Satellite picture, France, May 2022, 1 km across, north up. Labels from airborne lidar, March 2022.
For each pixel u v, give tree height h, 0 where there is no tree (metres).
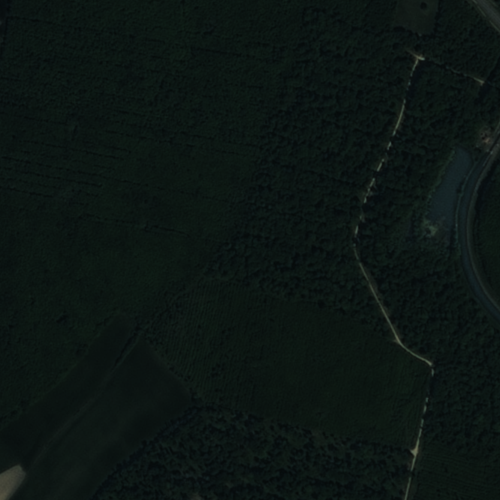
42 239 15
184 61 15
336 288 31
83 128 16
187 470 0
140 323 15
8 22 10
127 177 15
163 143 15
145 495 22
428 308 13
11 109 15
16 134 14
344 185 21
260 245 23
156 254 14
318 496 23
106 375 0
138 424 0
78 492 0
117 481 21
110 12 17
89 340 13
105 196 15
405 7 0
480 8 0
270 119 21
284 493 25
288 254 24
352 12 15
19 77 15
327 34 26
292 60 13
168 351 8
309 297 21
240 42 15
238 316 6
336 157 28
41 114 15
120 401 0
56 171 16
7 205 15
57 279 15
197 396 15
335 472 21
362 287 28
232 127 0
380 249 27
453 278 24
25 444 0
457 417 23
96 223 15
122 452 0
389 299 26
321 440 0
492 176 18
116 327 0
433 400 19
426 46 20
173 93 16
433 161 24
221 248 22
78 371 0
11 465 0
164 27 16
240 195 16
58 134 15
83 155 15
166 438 22
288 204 24
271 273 29
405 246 16
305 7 11
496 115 16
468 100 24
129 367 0
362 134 26
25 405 21
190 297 6
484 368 24
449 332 26
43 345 15
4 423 16
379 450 14
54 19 15
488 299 0
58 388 0
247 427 22
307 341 7
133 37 18
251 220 27
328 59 26
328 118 25
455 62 17
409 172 24
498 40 19
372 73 23
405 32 19
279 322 6
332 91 26
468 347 24
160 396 0
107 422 0
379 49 26
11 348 16
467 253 0
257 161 13
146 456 21
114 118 14
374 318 31
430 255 21
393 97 27
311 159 24
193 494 0
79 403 0
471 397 26
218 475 28
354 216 28
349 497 23
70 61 16
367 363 7
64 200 18
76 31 14
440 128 28
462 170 0
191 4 15
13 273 15
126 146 14
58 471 0
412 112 21
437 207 0
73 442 0
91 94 15
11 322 17
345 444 20
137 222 16
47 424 0
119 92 15
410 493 0
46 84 16
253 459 0
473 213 0
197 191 17
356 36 25
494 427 23
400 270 26
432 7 0
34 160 14
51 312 16
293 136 23
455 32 17
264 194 25
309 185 24
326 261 29
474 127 22
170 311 12
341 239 27
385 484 24
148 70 14
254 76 0
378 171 0
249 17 16
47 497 0
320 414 7
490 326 24
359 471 24
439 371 17
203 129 14
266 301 8
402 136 25
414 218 11
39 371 17
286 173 25
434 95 26
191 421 21
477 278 0
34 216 15
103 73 16
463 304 24
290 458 0
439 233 0
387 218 28
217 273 25
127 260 14
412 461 0
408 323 10
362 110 25
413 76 0
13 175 14
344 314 26
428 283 25
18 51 15
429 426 14
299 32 15
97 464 0
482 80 0
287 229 26
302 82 22
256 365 7
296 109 24
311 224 25
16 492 0
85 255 16
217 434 26
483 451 13
